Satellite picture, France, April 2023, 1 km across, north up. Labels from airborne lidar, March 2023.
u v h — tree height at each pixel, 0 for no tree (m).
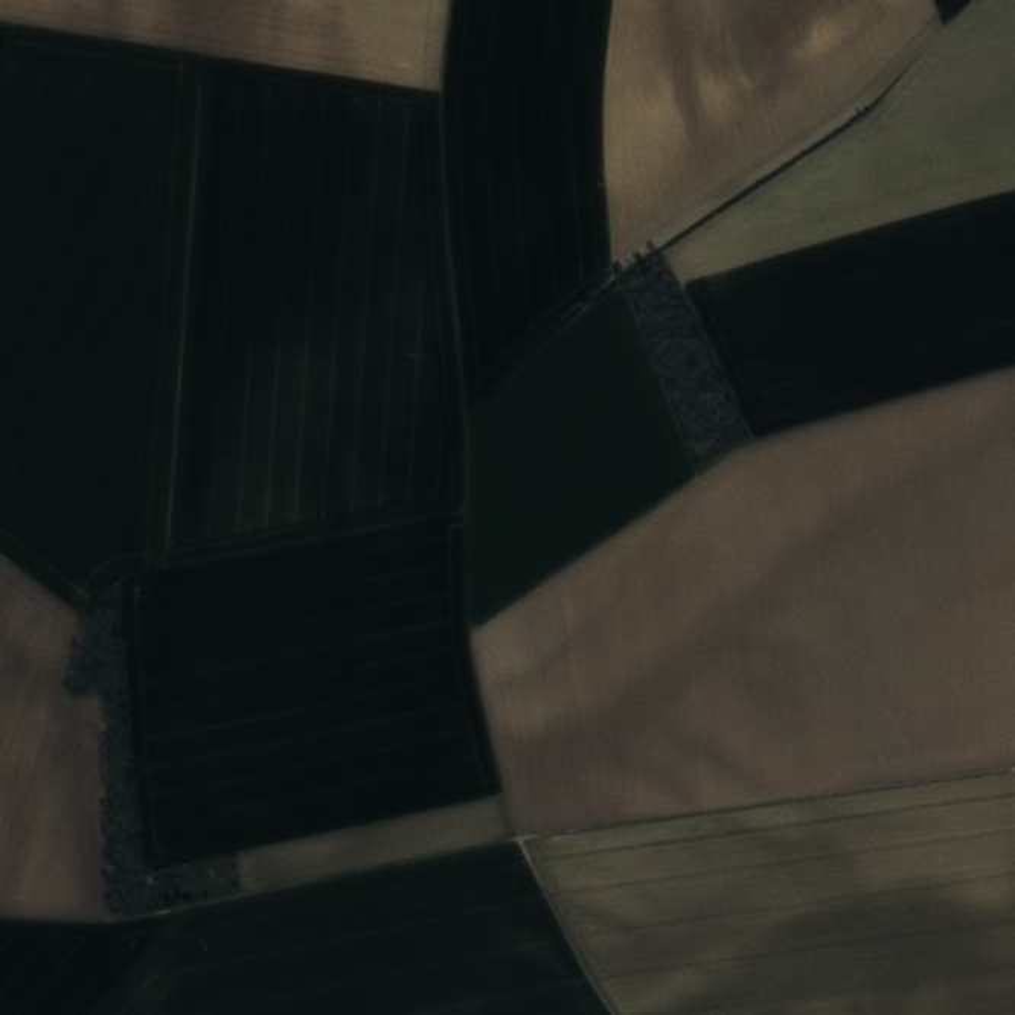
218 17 0
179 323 0
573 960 0
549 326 0
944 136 0
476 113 0
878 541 0
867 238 0
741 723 0
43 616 0
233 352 0
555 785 0
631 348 0
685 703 0
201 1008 0
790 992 0
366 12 0
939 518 0
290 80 0
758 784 0
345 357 0
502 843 0
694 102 0
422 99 0
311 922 0
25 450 0
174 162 0
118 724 14
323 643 0
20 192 0
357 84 0
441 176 0
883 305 0
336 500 0
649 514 0
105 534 0
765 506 0
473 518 0
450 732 0
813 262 0
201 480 0
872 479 0
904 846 0
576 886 0
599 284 0
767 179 0
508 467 0
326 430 0
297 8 0
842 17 0
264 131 0
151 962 0
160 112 0
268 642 0
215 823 0
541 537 0
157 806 0
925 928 0
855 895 0
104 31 0
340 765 0
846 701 0
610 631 0
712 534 0
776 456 0
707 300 0
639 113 0
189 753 0
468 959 0
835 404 0
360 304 0
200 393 0
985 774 0
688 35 0
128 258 0
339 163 0
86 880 0
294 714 0
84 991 0
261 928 0
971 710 0
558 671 0
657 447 0
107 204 0
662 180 0
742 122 0
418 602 0
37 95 0
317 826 0
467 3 0
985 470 0
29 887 0
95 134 0
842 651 0
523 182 0
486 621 0
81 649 14
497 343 0
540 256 0
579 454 0
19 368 0
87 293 0
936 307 0
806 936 0
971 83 0
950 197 0
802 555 0
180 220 0
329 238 0
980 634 0
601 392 0
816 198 0
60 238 0
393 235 0
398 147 0
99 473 0
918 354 0
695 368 11
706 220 0
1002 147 0
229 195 0
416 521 0
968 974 0
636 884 0
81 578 0
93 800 0
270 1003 0
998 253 0
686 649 0
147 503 0
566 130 0
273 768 0
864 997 0
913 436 0
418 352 0
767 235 0
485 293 0
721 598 0
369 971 0
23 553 0
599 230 0
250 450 0
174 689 0
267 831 0
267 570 0
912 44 0
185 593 0
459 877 0
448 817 0
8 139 0
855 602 0
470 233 0
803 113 0
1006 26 0
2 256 0
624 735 0
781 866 0
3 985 0
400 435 0
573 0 0
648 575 0
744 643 0
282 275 0
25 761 0
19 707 0
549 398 0
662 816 0
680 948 0
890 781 0
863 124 0
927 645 0
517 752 0
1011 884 0
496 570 0
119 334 0
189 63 0
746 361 0
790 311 0
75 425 0
